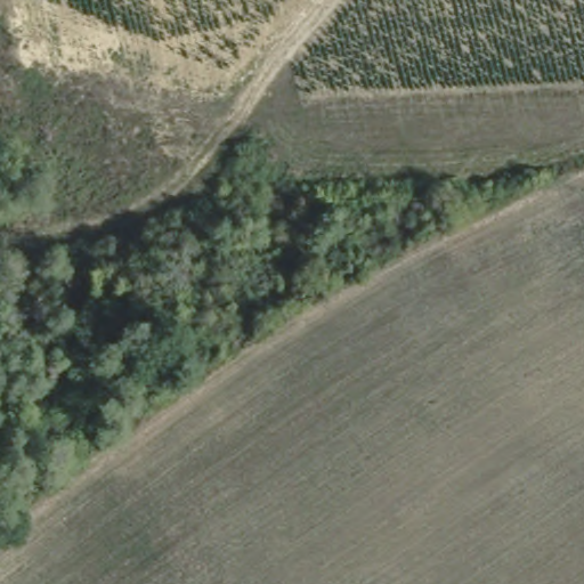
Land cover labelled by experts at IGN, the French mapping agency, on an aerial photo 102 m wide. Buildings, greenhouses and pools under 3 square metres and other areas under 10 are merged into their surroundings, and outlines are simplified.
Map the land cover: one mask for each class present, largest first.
<instances>
[{"label":"agricultural land","instance_id":"1","mask_svg":"<svg viewBox=\"0 0 584 584\"><path fill-rule=\"evenodd\" d=\"M32 534L27 543L0 550V584H584V169L554 178V183L548 189L532 192L527 196L511 201L509 205L477 221V226L468 233H447L431 237L427 242H411L404 256L381 267L367 287L363 283H354L315 306H306L303 313L290 319L285 329L278 331L274 338L265 342H251L237 356H233L228 365H217L198 388L183 392L178 404L160 413H153L151 420L141 427H135V422L121 427V440L110 449L96 452L91 456V465L75 479L73 488L52 500L43 497L30 513Z\"/></svg>","mask_w":584,"mask_h":584},{"label":"coniferous trees","instance_id":"2","mask_svg":"<svg viewBox=\"0 0 584 584\"><path fill-rule=\"evenodd\" d=\"M276 146L274 137H251L244 125H240L221 144L217 157L189 183L185 192L176 196H164L162 201L151 203L144 210L114 214L100 226H78L64 235H37L32 230H18L16 226H11V221L14 214L34 212L37 217H46L55 210L52 176L39 167H32L27 151L23 146L0 144V509H14L18 502L32 497L34 488L43 493V497L52 500L73 488L75 479L91 465V456L96 452L110 449L121 440V427L135 422V427H141L151 420L153 413H160L178 404L183 392L198 388L217 365H228L233 356H237L251 342H265L274 338L278 331L285 329L290 319L303 313L306 306H315L354 283H363L367 287L381 267L404 256L411 242H427L431 237L447 233H468L477 226V221L509 205L511 201L527 196L532 192L548 189L554 183V173L545 171L536 178H529L522 164H506L502 169H495L493 173L470 176L468 180H461L452 173L399 169L395 173H376L370 178L322 176L308 180L294 178L290 173V162H269V151ZM167 294H173L178 301L176 326L194 329L196 344L192 347V360L185 363V367H189L192 372L180 390L164 388L157 397H146V388L135 386L130 381V376L137 370V360L128 351L132 340L148 338L151 326L146 322L151 319L155 308L162 306V297Z\"/></svg>","mask_w":584,"mask_h":584},{"label":"herbaceous vegetation","instance_id":"3","mask_svg":"<svg viewBox=\"0 0 584 584\"><path fill-rule=\"evenodd\" d=\"M347 0H281L265 23L249 21L214 27L210 30V41H203L198 32H192L153 41L144 34H132L123 27L105 25L94 16H87L68 5H57L50 0H0V144L23 146L27 151L32 167H39L52 176L55 210L46 217H37L34 212L14 214L11 221V226H16L18 230H32L37 235H64L78 226H100L114 214L144 210L151 203L162 201L164 196H176L185 192L189 183L217 157L221 144L240 125H244L251 137H274L276 146L269 151V162H290V173L294 178L308 180L322 176L370 178L376 173H395L399 169L452 173L461 180H468L470 176L493 173L495 169H502L506 164H552L584 153V89L497 94L493 89L465 96H404L376 100L338 98L303 105L297 84L299 75H294L287 68V64L306 50V43L315 41L317 32L333 21L335 11Z\"/></svg>","mask_w":584,"mask_h":584},{"label":"vineyard","instance_id":"4","mask_svg":"<svg viewBox=\"0 0 584 584\"><path fill-rule=\"evenodd\" d=\"M57 5H68L87 16H94L105 25L123 27L132 34H144L153 41L192 32H198L203 41H210V30L214 27L249 21L265 23L281 0H50ZM287 68L294 75H299L297 84L303 105L338 98L376 100L404 96H465L493 89L497 94L584 89V0H347L335 11L333 21L317 32L315 41L306 43V50L287 64Z\"/></svg>","mask_w":584,"mask_h":584},{"label":"deciduous trees","instance_id":"5","mask_svg":"<svg viewBox=\"0 0 584 584\"><path fill-rule=\"evenodd\" d=\"M178 301L173 294H167L162 297V306L155 308L151 319L146 322L151 326L148 338L132 340L128 351L137 360V370L130 376V381L135 386L146 388V397H157L164 388L180 390L192 372L189 367H185V363L192 360V347L196 344L194 329L176 326ZM43 497V493L34 488L32 497L18 502L14 509H0V550L27 543L32 534L30 513Z\"/></svg>","mask_w":584,"mask_h":584},{"label":"brushwood","instance_id":"6","mask_svg":"<svg viewBox=\"0 0 584 584\"><path fill-rule=\"evenodd\" d=\"M529 178H536L545 171L554 173V178L584 169V153L552 164H522Z\"/></svg>","mask_w":584,"mask_h":584}]
</instances>
